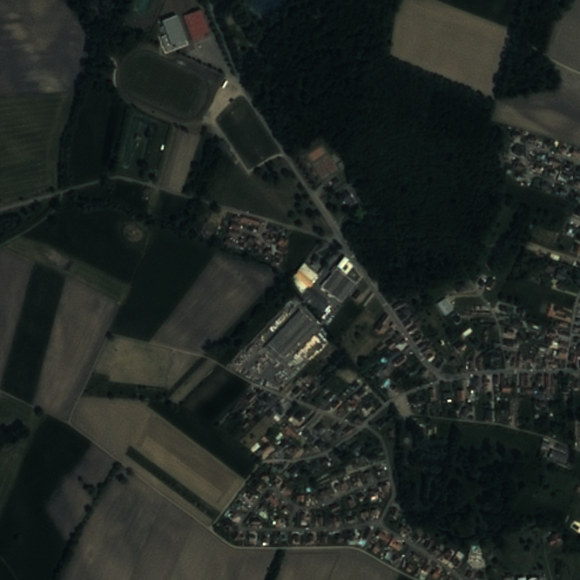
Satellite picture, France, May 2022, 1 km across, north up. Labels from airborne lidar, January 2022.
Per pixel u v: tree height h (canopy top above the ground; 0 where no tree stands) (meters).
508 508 20
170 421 0
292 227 0
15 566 0
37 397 0
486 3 0
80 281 0
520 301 10
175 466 0
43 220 0
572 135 0
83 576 0
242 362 0
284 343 0
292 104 19
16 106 0
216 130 0
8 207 0
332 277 0
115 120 0
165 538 0
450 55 0
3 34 0
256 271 0
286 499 0
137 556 0
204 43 0
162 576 0
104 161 0
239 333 15
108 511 0
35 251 0
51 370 0
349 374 0
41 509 0
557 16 19
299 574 0
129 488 0
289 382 0
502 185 7
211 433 0
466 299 0
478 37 0
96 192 0
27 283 0
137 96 0
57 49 0
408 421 7
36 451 0
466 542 17
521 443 0
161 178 0
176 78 0
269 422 0
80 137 0
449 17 0
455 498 31
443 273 26
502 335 0
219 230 0
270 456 0
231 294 0
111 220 0
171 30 0
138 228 0
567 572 0
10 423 0
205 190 8
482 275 0
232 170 0
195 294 0
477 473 21
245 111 0
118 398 0
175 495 0
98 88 14
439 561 0
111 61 14
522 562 0
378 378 0
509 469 27
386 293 21
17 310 0
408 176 0
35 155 0
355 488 0
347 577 0
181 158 0
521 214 18
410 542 0
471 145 11
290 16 19
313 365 0
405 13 0
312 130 20
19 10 0
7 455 0
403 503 12
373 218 24
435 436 12
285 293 15
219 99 0
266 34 17
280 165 0
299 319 0
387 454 0
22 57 0
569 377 7
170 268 0
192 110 0
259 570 0
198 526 0
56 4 0
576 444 0
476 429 0
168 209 0
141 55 0
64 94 0
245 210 0
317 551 0
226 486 0
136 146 0
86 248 0
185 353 0
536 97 0
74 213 0
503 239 17
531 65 30
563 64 0
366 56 23
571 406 11
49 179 0
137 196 0
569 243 0
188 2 0
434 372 0
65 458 0
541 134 0
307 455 0
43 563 0
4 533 0
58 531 0
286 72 19
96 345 0
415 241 18
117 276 0
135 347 0
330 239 0
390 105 0
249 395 0
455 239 16
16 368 0
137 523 0
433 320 0
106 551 0
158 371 0
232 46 18
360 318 0
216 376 0
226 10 24
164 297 0
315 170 0
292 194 0
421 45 0
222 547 0
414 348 0
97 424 0
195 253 0
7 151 0
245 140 0
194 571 0
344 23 11
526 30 12
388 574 0
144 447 0
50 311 0
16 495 0
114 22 23
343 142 17
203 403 0
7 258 0
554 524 7
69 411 0
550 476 0
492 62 0
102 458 0
